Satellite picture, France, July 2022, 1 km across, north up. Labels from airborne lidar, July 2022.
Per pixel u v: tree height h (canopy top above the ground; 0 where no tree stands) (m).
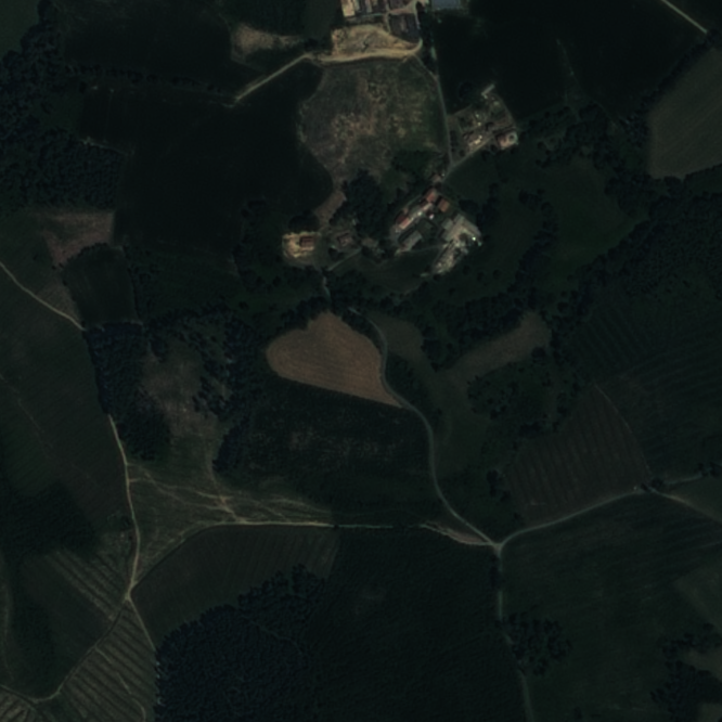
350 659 6
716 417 0
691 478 0
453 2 0
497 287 0
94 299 0
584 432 0
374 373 0
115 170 22
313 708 17
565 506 0
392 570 6
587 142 13
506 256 0
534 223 0
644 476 0
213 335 0
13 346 0
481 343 18
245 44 0
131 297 0
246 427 25
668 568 0
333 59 0
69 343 0
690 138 0
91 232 0
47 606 0
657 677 0
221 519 0
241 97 0
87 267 0
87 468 0
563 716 0
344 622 5
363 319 13
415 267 0
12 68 25
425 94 0
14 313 0
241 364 41
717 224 9
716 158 0
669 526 0
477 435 0
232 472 31
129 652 0
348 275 7
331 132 0
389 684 5
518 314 21
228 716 18
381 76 0
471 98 24
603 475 0
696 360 0
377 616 6
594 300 25
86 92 16
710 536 0
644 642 0
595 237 0
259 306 0
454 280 0
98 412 0
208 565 0
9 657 0
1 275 0
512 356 0
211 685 21
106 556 0
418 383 9
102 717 0
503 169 5
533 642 26
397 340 0
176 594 0
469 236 0
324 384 0
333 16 0
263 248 6
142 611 0
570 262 0
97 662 0
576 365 27
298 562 0
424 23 16
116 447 0
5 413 0
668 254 6
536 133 11
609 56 0
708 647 23
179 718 20
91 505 0
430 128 0
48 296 0
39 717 0
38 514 7
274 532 0
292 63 0
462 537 0
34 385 0
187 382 0
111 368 40
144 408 15
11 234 0
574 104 0
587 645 0
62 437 0
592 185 0
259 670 20
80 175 21
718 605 0
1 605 0
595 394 0
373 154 0
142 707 0
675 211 24
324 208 0
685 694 22
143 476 0
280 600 16
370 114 0
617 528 0
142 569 0
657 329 0
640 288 9
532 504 0
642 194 25
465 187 0
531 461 0
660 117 0
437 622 7
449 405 0
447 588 7
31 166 6
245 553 0
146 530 0
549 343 0
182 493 0
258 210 20
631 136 15
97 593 0
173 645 19
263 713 20
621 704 0
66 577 0
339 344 0
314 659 17
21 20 0
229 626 25
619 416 0
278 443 5
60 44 17
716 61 0
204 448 0
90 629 0
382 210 22
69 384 0
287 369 0
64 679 0
